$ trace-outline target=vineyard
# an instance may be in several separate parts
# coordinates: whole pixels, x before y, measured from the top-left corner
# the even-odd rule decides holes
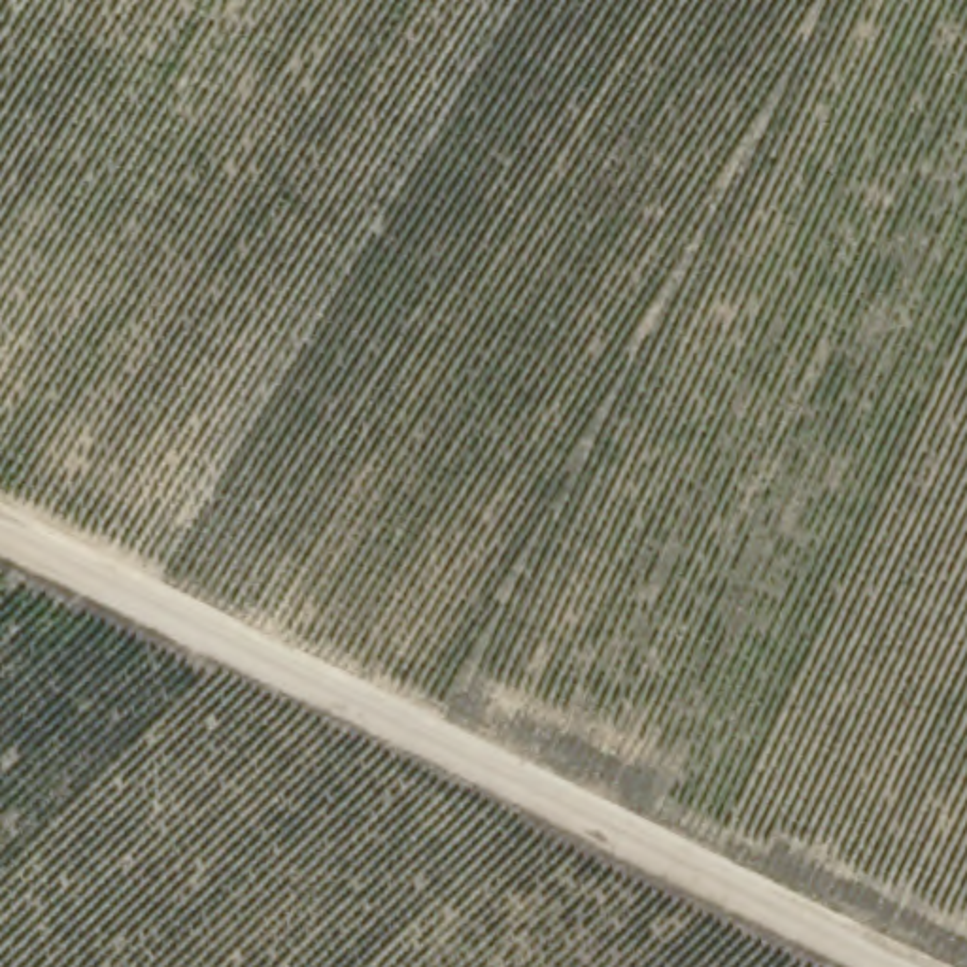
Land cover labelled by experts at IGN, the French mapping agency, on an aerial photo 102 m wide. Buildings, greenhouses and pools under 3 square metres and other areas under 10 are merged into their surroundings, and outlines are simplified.
[[[967,967],[967,0],[0,0],[0,491],[34,502],[72,521],[76,529],[106,536],[147,563],[159,563],[162,578],[181,593],[193,593],[264,635],[280,635],[291,646],[332,646],[359,669],[363,680],[393,676],[397,684],[423,691],[446,721],[491,744],[502,744],[521,759],[533,759],[578,786],[589,786],[608,801],[619,801],[623,808],[952,967]]]
[[[332,718],[283,691],[272,691],[261,680],[215,657],[189,653],[174,638],[140,627],[128,616],[0,555],[0,967],[846,967],[797,941],[778,937],[774,929],[752,918],[721,910],[718,903],[691,895],[680,884],[669,884],[616,854],[593,850],[574,831],[555,827],[551,820],[525,812],[480,786],[468,786],[419,755],[389,748],[385,740],[355,729],[344,718]]]

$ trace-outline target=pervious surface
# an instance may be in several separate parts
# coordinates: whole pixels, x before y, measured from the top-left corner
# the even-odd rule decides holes
[[[616,854],[669,884],[680,884],[691,895],[718,903],[721,910],[752,918],[774,929],[778,937],[797,941],[846,967],[952,967],[623,808],[619,801],[608,801],[589,786],[578,786],[533,759],[521,759],[502,744],[491,744],[446,721],[423,691],[397,684],[393,676],[363,680],[359,669],[332,646],[291,646],[280,635],[264,635],[193,593],[181,593],[162,578],[159,563],[147,563],[106,536],[76,529],[72,521],[34,502],[0,491],[0,555],[128,616],[140,627],[174,638],[189,653],[215,657],[261,680],[272,691],[283,691],[332,718],[344,718],[355,729],[385,740],[389,748],[419,755],[468,786],[480,786],[525,812],[551,820],[555,827],[574,831],[593,850]]]

